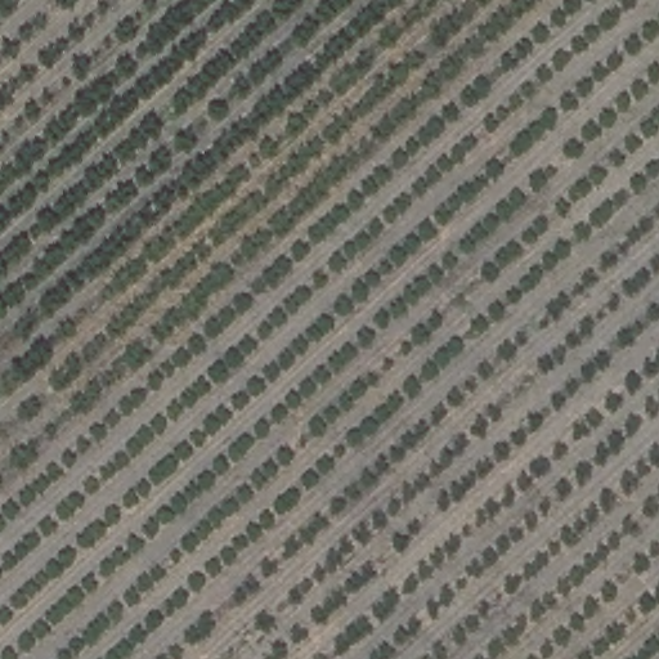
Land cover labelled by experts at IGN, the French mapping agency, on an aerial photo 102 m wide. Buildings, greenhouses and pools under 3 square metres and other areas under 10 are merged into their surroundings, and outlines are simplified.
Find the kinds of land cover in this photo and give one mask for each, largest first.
<instances>
[{"label":"plowed land","instance_id":"1","mask_svg":"<svg viewBox=\"0 0 659 659\"><path fill-rule=\"evenodd\" d=\"M36 13L46 15V26L36 31L26 44H21L15 57L0 64V85L18 75L23 64H31L39 57V51L46 49L51 41L62 39L70 23L85 15L75 5L62 8L59 0H0V49L3 41L13 39L28 18H33ZM144 0H121L100 21H95L80 41L70 44L51 67L39 70L31 82L18 88L13 100L0 111V167L15 160V152L23 142L44 134L46 124L75 100L77 90L93 85L100 75L116 67L121 54H129V44L118 39L116 26L126 15H131ZM275 0H255L234 21L209 33L206 44L196 51L193 59H185L183 67L172 72V77L165 85H160L149 98H142L136 108L116 129L95 139V144L72 167L51 178L49 188L36 193L33 203L23 209L15 219H10L0 232V250L18 232L31 227L44 206H51L62 196V190L75 185L90 165L100 162L106 152L124 142L129 131L139 126V121L149 111H154L162 118L160 136L147 139V144L139 147L131 160L118 162L111 178H106L80 206H75L49 232L31 239L28 252L18 263H13L5 275H0V291H5L21 275L31 273L33 263L44 257V250L54 245L67 229H72L82 214L100 206L106 196L118 188V183L131 180V185L136 188V193L124 206H118L113 214H106L103 224L82 245L67 252V257L49 275H44L31 291L23 293V299L15 306H10L0 317V335L10 332L31 306L41 301L46 288H51L72 268H77L85 255L100 247V242L111 237V232L116 229V224L126 221L134 211H139L144 198L154 196L170 180L180 178L183 165L188 160H196L198 154L209 152L224 129L252 113L255 103L263 95H268L275 85H283L296 67L314 62L317 54L324 51L327 39L350 23L342 13H337L332 21L314 31V36L304 46L283 57V62L270 75H265V80L257 82L245 98L234 88L239 75H247L255 62H260L278 44H283L299 23H304L306 15H311L319 8L322 0H304L288 18H283L275 26V31L263 36L257 46H252L237 64H232L180 116L175 111L172 95L188 82V77L203 70V64L211 57L227 49L257 18V13L273 8ZM157 147L170 149V165L154 180L144 183L136 175V170L149 165V157ZM466 0H402L396 8L386 10L384 18L376 21L360 39H355L335 62H330L327 70L304 93L286 103L278 116L263 124L252 139L242 142L224 162L216 165V170L209 178L188 188L183 198H175L172 206L154 224H149L118 257H113L111 265L93 278L95 283L108 286L124 265L142 255L149 239L160 237L162 229L172 224L183 211H188L196 198L224 183V178L237 165H242L250 178L242 180L229 198H224L201 224H196L185 237H180L160 260L147 263L144 273L134 283H129L121 293L108 299L95 314L77 324L72 337L54 345L51 358L28 381L18 384L13 394L0 399V466L10 458V450L15 445H23L31 438H36L46 427V422H51L62 409H67L72 396L88 386V381L106 373L116 358L126 353L131 342L142 340L152 330V324H157L165 317L170 306H178L201 278L211 273L216 263H227L242 247L245 237L255 234L257 229H265L270 216L288 206L296 198V193L306 183H311V178L322 167L332 162V157L355 149L360 139L371 136V129L386 113H391L404 98L422 88V80L427 75L420 67L412 70L402 85H396L384 100H378L366 116H360L337 142L324 144L322 154L311 157L306 167L281 188V193L270 203H265L245 224H239L216 250H211L193 270H188L180 278L175 288L162 291L157 301L139 314V319L124 335L106 345L93 363L82 366V371L64 389L51 386V373H57L64 366L67 355L82 350L95 335L106 332L113 314L131 304L134 296L144 293L165 268H172L201 239L203 232H211L224 219V214L242 203L247 193L265 190L268 175L288 162L291 152H299L327 124H332L335 116L355 106L373 88L376 75H389L391 62H402L407 51L420 49L430 39L432 26L448 13L458 10ZM659 13V0H638L631 10H626L618 18L613 28L600 33L584 51L569 59V64L548 82L538 80V70L525 59L515 70L502 75L492 85L487 98L469 106L456 121H450L443 129L438 139H432L414 157H409V162L386 185L368 196L358 211H353L342 224H337V229L330 237L311 247L306 257L299 260L291 268V273L278 281V286L260 293L252 301V306L242 317H237L221 335L206 342V350L190 358L188 366L175 368L172 376L165 378L157 391L147 394V399L129 417H124L113 430H108L98 445H93L82 458H77L62 479L49 484L26 510L18 512V517H13L0 530V561L5 551H10L44 517L51 520L57 515V505L67 494L85 489L88 476H100V466H106L118 450L126 448L129 438L136 435L142 425H147L154 414H162L172 399H178L201 373H206L214 366V360H219L232 345H237L242 337H250L286 296H291L299 286L314 283V270L327 265L335 250H340L358 232H363L371 224V219H376L396 196L409 190L412 183L425 175V170L440 154H448L463 136L471 134L476 136L474 149L492 160L497 147L510 144L517 131L535 121L546 108L559 103L561 95L569 93L582 77H587L595 64L605 62L613 51L618 54L626 46L628 33L641 28ZM528 80L533 82L535 95L528 98L515 113H510L507 121H502L494 131H489L484 126L487 113H494L499 106H505L510 95ZM659 59V33L636 54L623 59V64L615 72H610L602 82H597L574 111L559 113L553 129H548L538 142H533L528 152L515 157V162H510L505 172L497 180H492L471 203H463L456 211V216L432 239L422 242L420 250L409 255L394 273L381 278V283L371 288L366 301L355 304L350 314H342L322 340L311 342L306 353L291 363V368H286L273 384L265 386L263 394L252 396L242 409H237L214 435L206 438L201 448H196L185 461H180L167 479L152 487L147 497L121 510L118 523L111 525L103 533V538H98L90 548H82L57 579L46 582L23 608L13 613V618L5 626H0V651L10 646L26 628H31L72 584H77L116 546L126 543V538L144 525V520L157 507L167 505L172 494H178L193 476L209 469L221 450H227L234 443L237 435L252 430L263 414H268L278 402L286 399L291 389L301 384V378H306L345 342H350L358 335V330L373 319V314L381 306L396 299L414 275L425 273L430 265H438L448 245L461 239L479 219H484L502 198L510 196V190L517 188L525 196L533 193L535 188L530 185V172L541 167H556V175L543 188L556 201L564 198L584 172H589V165L582 154L566 157L564 144L569 139H577L587 121L597 118L602 108L610 106V100L618 98V93L633 85L636 75L644 67ZM510 49L499 39L489 41L481 57L469 59L456 80L443 85L438 98L422 103L414 111V116L404 121L366 162L350 170L340 183H335L311 211H306L293 224L288 234L270 239V245L257 252V257L245 263L224 288L214 291L196 319L175 327L157 353H152L139 368L129 371L111 389H106L100 399L93 404V409L67 422L54 440L39 448L36 461L28 463V469H23L13 481L0 487V507L8 499L18 497V492L26 484L39 479L49 463L62 461L64 450H72L77 445V438H85L90 427L100 422L131 389L144 386L149 373L157 371L160 363H165L183 345H188L193 335L203 332L206 322L214 314H219L237 293H245L268 265L275 263V257L286 255L293 247V242H304L309 237L311 224L327 216L337 203L348 201L350 190H358L360 183L376 167L386 165L399 147L407 144L409 136H414L448 103H453L469 85H474L479 75L494 70L502 54ZM36 178V170L28 167L23 175L10 180L0 190V206L8 203L10 196H15L26 183ZM659 203V175L649 180L636 198H628L620 209H615L605 224L592 229L589 239L584 242L574 234V227L579 221L571 214H566L559 221L548 224V229L535 242H530L523 250V255H517L494 281H487L481 273L456 268V281H450L445 288H430L417 304L407 309V314L391 319L389 327L366 350H360L327 384L317 386V391L306 396L296 409H291L278 425H270L268 435L263 440H255L239 461H232L211 489L198 494L185 507V512L178 515L172 523L160 525L157 533L144 543V548L134 559L116 566V571L100 587L95 584V589L85 595L75 610H70L44 638H39L18 659H54L57 651L64 649L70 638L80 636L82 628L98 613H103L111 602L124 597L139 574L149 571L152 566H162L165 574H170L178 566L170 551L183 543V535L193 530L209 515L211 507L227 499L237 487L247 484L252 471L263 466L270 456H275L278 448L286 445L291 448L293 461L278 469V474L232 515L242 528L255 523L260 512H268L275 505V497L291 489L301 479V474L309 471L322 456H330L335 461V469L324 479H319V484L301 492L296 507L281 512L273 520L270 530H265L255 543L239 551L234 564L221 566V571L206 579L198 592L188 595L185 605L175 610L170 618H165L131 651L129 659H476L489 654V644L505 628H512L517 623V615H525V631L517 638V644L505 649L497 659H579V651L592 646V641L600 638L613 623L623 628V638L595 659H628L659 628V466H654L638 481L633 492L623 489L620 479L626 471L636 469L638 458H644L654 445H659V373L644 378L636 391H631L608 368L600 371L561 409L548 414L541 430L528 435L517 450L510 453L507 461L494 466L484 479H479L461 502H453L448 510H440L438 497L453 481L466 476L479 461L492 456L497 443L510 438L530 412H538L543 404H548L553 391H559L569 378H574L589 358L605 350L608 342L615 340V335L623 327L636 322L649 304L659 299V273L649 278V283L638 293H628L626 299H620V306L595 324L589 340L566 353L561 366L541 371L538 358L551 353L559 342H564L566 335L579 327L584 317L597 311L600 304L610 299V293H615V288L623 286L626 278L636 275L659 252V221L610 270L600 263V257L602 252L620 245L628 229L636 227L638 219L654 211V206ZM556 239L569 242V255L559 260L556 268L548 270L533 291H528L517 304L505 309V317L499 322L489 324L484 332L474 330L471 319L481 317L492 301L505 296L530 270V265H535L543 257V252H548L556 245ZM584 270H592L597 283L584 296L571 301L569 309H564L553 324L541 330V319L546 314L548 301L571 288ZM432 311H440L443 324L430 335L427 342L417 345L409 355H404L402 342L412 337V330L420 322H425ZM517 330L528 335V342L515 353L512 360L499 358L497 348L502 342H510L517 335ZM456 335L461 337L463 350L432 381L422 384L420 394L412 402H404L399 412H394L378 427L376 435H368L360 445H350L348 430L358 427L363 417H368L378 404H384L389 394H394L404 384L407 376L420 373L422 363L430 360L438 353V348H443ZM479 363H489L494 376L487 378V384L476 391H469L463 396V404L453 407L448 391L456 384H463L479 368ZM363 373H376L378 384L371 386L360 399H355V404L345 414H340L324 430V435L314 438L309 430V420L327 404H332ZM438 404L445 409L443 422L435 430H430L396 466H391L378 479V484L371 487L355 505L345 507L342 515H335L330 507L332 499L340 497V492L353 479H358L363 469L373 466L381 453L396 445L399 438L409 432L420 420H425ZM489 404H497L502 409V417L487 427V435H476L471 425L476 422V414ZM592 409L602 417L600 425L589 435L574 438V422H579ZM631 414H636L641 422L636 435L626 440L623 448L615 456H610L602 466L592 469L589 479L582 484L577 479V463L592 458L597 445L608 440L613 430L623 427ZM456 435L466 438V450L458 458H453V463L438 479H432L430 487L422 489L407 507H399V512L389 517L384 528H376L373 510H381L389 505V499L402 497V487L407 481H414L417 474H425L430 463L440 458L443 448L453 443ZM535 458H546L548 471L538 476L530 484V489H520L517 476ZM505 487L512 489L515 502L507 510H499L484 525L476 523V510L484 507L489 499H502ZM602 489L613 492V510L600 515L597 523L589 530H584V535L574 546H566L561 528L574 525V520H579L587 512V507L600 499ZM317 512L330 525L319 530L309 546L299 548L296 556L288 559L283 553L286 538L304 528ZM623 517H633L638 523V533L623 538L620 546L610 551L608 559L592 574H587L579 587H571L569 595H564L559 589V579L566 577L571 566L582 564L587 553H595L600 543H608L610 533L623 528ZM412 520L420 523V533L412 538L407 551H396L394 535L402 533ZM358 523L368 528V543L353 546L342 564L319 582L314 569L327 559L330 548L340 546L345 530H353ZM463 525L471 528V535L461 541L458 551L450 559H443V566L432 571L430 579L420 582L414 592H407L404 579L412 571H417L422 559H430L435 546H443ZM510 528H520L523 538L512 543L507 553L499 556L497 564H492L484 574H469V564L474 559H481L484 548H492L497 538ZM551 541H556L561 551L553 559H548V564L533 579L520 582L515 592H507V577L520 574L525 564L535 559V553L548 548ZM363 564H371L376 577L366 587L353 592L345 600V605L330 615L327 623H317L311 618V610L319 608L327 600V595L345 584L348 577L355 574ZM247 577H252L260 584V589L242 605H237L232 592ZM443 587H450L453 602L448 608H440L438 618H430L427 600H438ZM386 589L396 592V608L389 618H378L373 613V605L384 597ZM587 597L597 602V613L589 620H584L582 631H577L566 644H561L559 649H553L551 656H546L541 651L543 641L551 638L556 628H564L571 620V615L582 613ZM479 602H489V615L479 620V628L474 633L466 636V644H456V623L471 615L479 608ZM206 610L211 613L214 631L209 638L190 644L185 638V628L193 626ZM358 618L368 620L371 633L355 641L345 654H337V633H342ZM366 273V268L358 257L348 263L335 278L327 281L324 288L311 293V299L299 306L296 314L286 319V324L273 330V335L242 360L239 368L229 373L227 381L211 386L209 394H203L193 407H188L178 420L167 422L165 432L152 438V443L142 448V453L134 461H129L126 469L116 471L106 484H100V489L82 502V507L75 510L72 517L62 520L51 535L41 538L39 546L23 561H18L10 571L0 577V608L26 579H31L39 569L46 566L49 559L59 553V548H70L85 525L100 520L106 507L121 499L126 489L134 487L139 479H144L162 456L172 450V445L185 440L193 430H198L206 414H211L216 407L227 409L232 404V394H237L252 376H260V371L270 360H275L281 350L293 337H299L319 314H324L340 293L353 288L355 278ZM147 618L144 605L136 602L129 605L121 613L118 623L106 628L95 644L85 646L75 659H100L121 638L129 636V631L136 623Z\"/></svg>","mask_w":659,"mask_h":659},{"label":"deciduous trees","instance_id":"2","mask_svg":"<svg viewBox=\"0 0 659 659\"><path fill-rule=\"evenodd\" d=\"M121 0H59L62 8L75 5L85 15L70 23L62 39L51 41L46 49L39 51V57L31 64H23L18 75L0 85V111L13 100L18 88L31 82L39 70L51 67L70 44L80 41L95 21H100ZM255 0H144L131 15H126L116 26L118 39L129 44V54H121L116 67L100 75L93 85L77 90L75 100L46 124L44 134L23 142L15 152V160L0 167V190L10 180L23 175L28 167L36 170V178L26 183L15 196H10L8 203L0 206V232L10 219H15L23 209L33 203L36 193L49 188L51 178L72 167L95 144V139L116 129L136 108L142 98H149L160 85H165L172 77V72L183 67L185 59H193L196 51L206 44L209 33L234 21ZM304 0H275L273 8L257 13V18L227 49L211 57L203 64V70L188 77V82L172 95L175 111L180 116L232 64H237L252 46H257L263 36L275 31V26L283 18H288ZM402 0H322L319 8L311 15H306L304 23H299L283 44H278L260 62H255L247 75H239L234 88L245 98L257 82L265 80V75H270L283 62V57L304 46L314 36V31L332 21L337 13H342L350 23L327 39L324 51L317 54L314 62L296 67L283 85H275L268 95H263L255 103L252 113L224 129L209 152L198 154L196 160H188L183 165L180 178L170 180L154 196L144 198L139 211H134L126 221L116 224V229L111 232V237L100 242V247L85 255L77 268H72L51 288H46L41 301L31 306L10 332L0 335V399L13 394L18 384L28 381L51 358L54 345L72 337L77 324L95 314L108 299L121 293L129 283H134L144 273L147 263L160 260L180 237H185L196 224H201L224 198H229L242 180L250 178L242 165H237L224 178V183L196 198L188 211H183L172 224L162 229L160 237L149 239L142 255L124 265L108 286L95 283L93 278L111 265L113 257H118L149 224H154L172 206L175 198H183L188 188L209 178L216 170V165L224 162L242 142L252 139L263 124L278 116L286 103L304 93L327 70L330 62H335L355 39H360L376 21L384 18L386 10L396 8ZM638 0H466L458 10L448 13L432 26L430 39L420 49L407 51L402 62H391L389 75H376L373 88L355 106L335 116L332 124H327L299 152H291L288 162L268 175L265 190L247 193L242 203L224 214V219L211 232H203L201 239L172 268H165L144 293L134 296L131 304L113 314L106 332L95 335L82 350L67 355L64 366L57 373H51V386L64 389L82 371V366L93 363L106 345L124 335L139 319V314L157 301L162 291L175 288L180 278L188 270H193L211 250H216L239 224H245L265 203H270L281 193V188L306 167L311 157L322 154L324 144L337 142L360 116H366L378 100H384L396 85H402L412 70L420 67L427 75L422 80V88L404 98L391 113H386L371 129V136L360 139L355 149L332 157V162L322 167L311 178V183H306L296 193V198L288 206L270 216L265 229H257L255 234L245 237L242 247L227 263H216L211 273L201 278L178 306H170L165 317L157 324H152V330L142 340L131 342L126 353L116 358L106 373L88 381V386L72 396L67 409H62L51 422H46V427L36 438H31L23 445H15L10 450V458L0 466V487L13 481L23 469H28V463L36 461L39 448L54 440L67 422L93 409V404L100 399L106 389H111L129 371L139 368L152 353H157L175 327L196 319L214 291L224 288L245 263L257 257V252L270 245V239L288 234L293 224L306 211H311L335 183H340L350 170L366 162L404 121L414 116V111L422 103L438 98L443 85L456 80L469 59L481 57L489 41L499 39L510 49L502 54L494 70L479 75L474 85H469L453 103H448L414 136H409L407 144L399 147L386 165L376 167L360 183L358 190H350L348 201L337 203L327 216L311 224L309 237L304 242H293V247L286 255L275 257V263L268 265L245 293H237L219 314H214L206 322L203 332L193 335L188 345H183L165 363H160L157 371L149 373L144 386L131 389L100 422L90 427L85 438H77V445L72 450H64L62 461L49 463L39 479L26 484L18 492V497L8 499L0 507V530L13 517H18V512L26 510L49 484L62 479L77 458H82L93 445H98L108 430H113L124 417H129L147 399V394L157 391L165 378L172 376L175 368L188 366L190 358L206 350V342L221 335L237 317H242L252 306V301L260 293L278 286V281L291 273V268L299 260L306 257L311 247L330 237L337 229V224H342L353 211H358L368 196L386 185L409 162V157H414L432 139H438L443 129L450 121H456L469 106L487 98L492 85L502 75L515 70L525 59L538 70V80L548 82L569 64V59L584 51L600 33L613 28L618 18L626 10H631ZM46 26V15L36 13L33 18H28L13 39L3 41L0 49V64L15 57L21 44H26L36 31ZM659 33V13L641 28L628 33L626 46L618 54L613 51L605 62L595 64L587 77H582L569 93L561 95L559 103L546 108L535 121L517 131L510 144L497 147L492 160L474 149L476 136L471 134L463 136L448 154H440L425 170V175L412 183L409 190L396 196L376 219H371V224L363 232H358L340 250H335L327 265L314 270V283L299 286L291 296H286L250 337H242L237 345H232L219 360H214V366L206 373H201L178 399H172L162 414H154L147 425H142L136 435L129 438L126 448L118 450L106 466H100V476H88L85 489L67 494L57 505V515L51 520L44 517L10 551H5L0 561V577L10 571L18 561H23L39 546L41 538L51 535L62 520L72 517L75 510L82 507V502L100 489V484H106L116 471L126 469L129 461H134L142 453V448L152 443V438L165 432L167 422L178 420L188 407H193L203 394H209L211 386L227 381L229 373L239 368L242 360L273 335V330L286 324V319L296 314L299 306L311 299V293L324 288L327 281L335 278L348 263L358 257L366 268V273L355 278L353 288L340 293L324 314H319L299 337H293L281 350L275 360H270L260 371V376H252L237 394H232V404L227 409L216 407L211 414H206L198 430H193L185 440L172 445V450L162 456L144 479H139L134 487L126 489L121 499L106 507L100 520L85 525L70 548H59V553L49 559L46 566L39 569L31 579H26L0 608V626H5L13 618V613L23 608L46 582L57 579L82 548H90L98 538H103V533L111 525L118 523L121 510L147 497L152 487L167 479L180 461H185L196 448H201L206 438L214 435L237 409H242L252 396L263 394L265 386L273 384L286 368H291V363L306 353L311 342L322 340L342 314H350L355 304L366 301L371 288L381 283V278L394 273L409 255L420 250L422 242L432 239L456 216V211L463 203H471L492 180H497L505 172L510 162H515V157L528 152L533 142H538L548 129H553L559 113L574 111L597 82H602L610 72H615L623 64V59L636 54ZM566 157L582 154L589 165V172H584L564 198L556 201L543 188L556 175V167H541L530 172V185L535 188L533 193L525 196L517 188L510 190V196L502 198L484 219H479L461 239L448 245L438 265H430L425 273L414 275L396 299L381 306L373 314V319L358 330V335L350 342H345L306 378H301V384L291 389L286 399L278 402L268 414H263L252 430L237 435L234 443L227 450H221L209 469L193 476L178 494H172L167 505L157 507L144 520V525L126 538V543L116 546L77 584H72L31 628H26L10 646L0 651V659H18L39 638H44L70 610H75L85 595L95 589V584L100 587L116 571V566L134 559L144 548V543L157 533L160 525L172 523L178 515L185 512V507L198 494L211 489L232 461H239L255 440H263L268 435L270 425H278L291 409H296L306 396L317 391V386L327 384L360 350H366L389 327L391 319L407 314V309L417 304L430 288H445L450 281H456V268L481 273L487 281H494L517 255H523V250L530 242H535L548 229V224L559 221L566 214H571L579 221L574 227V234L584 242L589 239L592 229L605 224L615 209H620L628 198H636L649 180L659 175V59L644 67L636 75L633 85L618 93V98L610 100V106L602 108L597 118L587 121L577 139H569L564 144ZM535 95L533 82L528 80L510 95L505 106H499L494 113H487L484 126L489 131H494L502 121H507L510 113H515L528 98ZM162 118L154 111H149L139 121V126L129 131L124 142L106 152L100 162L90 165L75 185L62 190V196L51 206H44L31 227L18 232L0 250V275H5L13 263H18L28 252L31 239L49 232L75 206H80L106 178H111L118 162L131 160L139 147L147 144V139L160 136ZM170 165V149L157 147L149 157V165L136 170V175L144 183L154 180ZM136 193V188L131 185V180L118 183V188L106 196L100 206L82 214L72 229H67L54 245L44 250V257L33 263L31 273L21 275L5 291H0V317L10 306H15L23 299V293L31 291L44 275H49L67 257V252L82 245L103 224L106 214H113L118 206H124ZM659 221V203L654 206V211L638 219L636 227L628 229L620 245L602 252L600 257V263L610 270ZM569 242L556 239V245L548 252H543V257L535 265H530V270L505 296L492 301L481 317L471 319L474 330L484 332L489 324L499 322L505 317V309L517 304L528 291H533L548 270L556 268L559 260L569 255ZM659 273V252L636 275L626 278L623 286L615 288V293H610V299L600 304L597 311L584 317L579 327L566 335L564 342H559L551 353L538 358L541 371L561 366L566 353L589 340L595 324L620 306V299H626L628 293H638L649 283V278ZM597 283L592 270H584L571 288L548 301L546 314L541 319V330L553 324L564 309H569L571 301L584 296ZM608 368L631 391H636L644 378L659 373V299L649 304L636 322L623 327L615 335V340L608 342L605 350L589 358L574 378H569L559 391H553L548 404H543L538 412H530L510 438L497 443L492 456L479 461L466 476L453 481L438 497L440 510H448L453 502H461L479 479H484L494 466L507 461L510 453L517 450L528 435L541 430L548 414L561 409L600 371ZM443 324L440 311H432L425 322H420L412 330V337L402 342L404 355H409L417 345L427 342L430 335ZM528 342V335L517 330V335L510 342H502L497 348L499 358L512 360L515 353ZM463 350L461 337L456 335L443 348H438V353L430 360L422 363L420 373L407 376L404 384L394 394H389L384 404H378L368 417H363L358 427L348 430L350 445H360L368 435H376L378 427L394 412H399L404 402H412L420 394L422 384L432 381ZM494 376L489 363H479V368L463 384H456L448 391L453 407L463 404V396L469 391H476L487 384V378ZM378 384L376 373H363L332 404H327L309 420V430L314 438L324 435V430L340 414H345L355 404V399H360L371 386ZM445 409L438 404L425 420H420L409 432L399 438L396 445L381 453L373 466L363 469L358 479H353L340 492V497L332 499L330 507L335 515H342L345 507L355 505L371 487L378 484V479L391 466H396L430 430H435L443 422ZM502 417V409L497 404H489L476 414V422L471 425L476 435H487V427ZM602 417L592 409L579 422H574V438L589 435L600 425ZM641 422L636 414H631L623 427L613 430L608 440L597 445L592 458L577 463V479L582 484L589 479L592 469L602 466L610 456H615L623 448L626 440L636 435ZM466 450V438L456 435L453 443L443 448L440 458L430 463L425 474H417L414 481H407L402 487V497L389 499V505L381 510H373L376 528H384L389 517L399 512V507H407L422 489L430 487L432 479H438L453 463V458H458ZM293 461L291 448L286 445L278 448L275 456H270L263 466L252 471L247 484L237 487L227 499L211 507L209 515L193 530L183 535V543L170 551L178 566L170 574H165L162 566H152L149 571L139 574L124 597L111 602L103 613H98L82 628L80 636L70 638L64 649L57 651L54 659H75L85 646L95 644L106 628L118 623L121 613L129 605L136 602L144 605L147 618L136 623L129 631V636L121 638L100 659H129L131 651L165 618H170L175 610L185 605L188 595L198 592L206 579L221 571V566L234 564L239 551L255 543L265 530H270L273 520L281 512L296 507L301 492L319 484V479H324L335 469V461L330 456H322L309 471L301 474V479L291 489L275 497V505L268 512H260L255 523L242 528L232 515L278 474V469ZM654 466H659V445H654L644 458H638L636 469L626 471L620 479L623 489L633 492L638 481ZM548 471L546 458H535L517 476L520 489H530V484L538 476ZM515 502L512 489L505 487L502 499H489L484 507L476 510V523L484 525L499 510H507ZM613 492L602 489L600 499L587 507V512L579 520H574V525L561 528L566 546H574L584 535V530H589L597 523L600 515L613 510ZM330 525L317 512L304 528L286 538L283 553L288 559L296 556L299 548L309 546L319 530ZM638 533V523L633 517H623V528L610 533L608 543H600L595 553H587L582 564L571 566L566 577L559 579V589L564 595H569L571 587H579L587 574H592L608 559L610 551L620 546L623 538ZM420 533V523L412 520L402 533L394 535L396 551H407L412 538ZM368 528L358 523L353 530H345L340 546L330 548L327 559L314 569L319 582L342 564L353 546L368 543ZM471 535V528L463 525L443 546H435L430 559H422L417 571H412L404 579L407 592H414L420 582L430 579L432 571L443 566V559H450L458 551L461 541ZM523 538L520 528H510L497 538L492 548H484L481 559H474L469 564V574H484L492 564H497L499 556L507 553L512 543ZM561 551L556 541H551L548 548L535 553V559L525 564L520 574L507 577V592H515L520 582L533 579L548 564V559H553ZM376 577L371 564H363L355 574L348 577L345 584L327 595V600L319 608L311 610V618L317 623H327L330 615L345 605V600L353 592L366 587ZM260 589V584L252 577H247L232 592L237 605H242ZM453 602L450 587H443L438 600H427L430 618H438L440 608H448ZM396 608V592L386 589L384 597L373 605V613L378 618H389ZM597 613V602L587 597L582 613L571 615V620L564 628H556L551 638L543 641L541 651L546 656H551L553 649H559L561 644H566L577 631H582L584 620H589ZM489 615V602H479V608L471 615L456 623V644H466V636L474 633L479 628V620ZM214 631L211 613L206 610L193 626L185 628V638L190 644L209 638ZM525 631V615H517V623L512 628H505L489 644V654L476 659H497L505 649L517 644V638ZM371 633L368 620L358 618L342 633H337V654H345L355 641ZM623 638V628L613 623L600 638L592 641V646L579 651V659H595ZM628 659H659V628Z\"/></svg>","mask_w":659,"mask_h":659}]
</instances>
